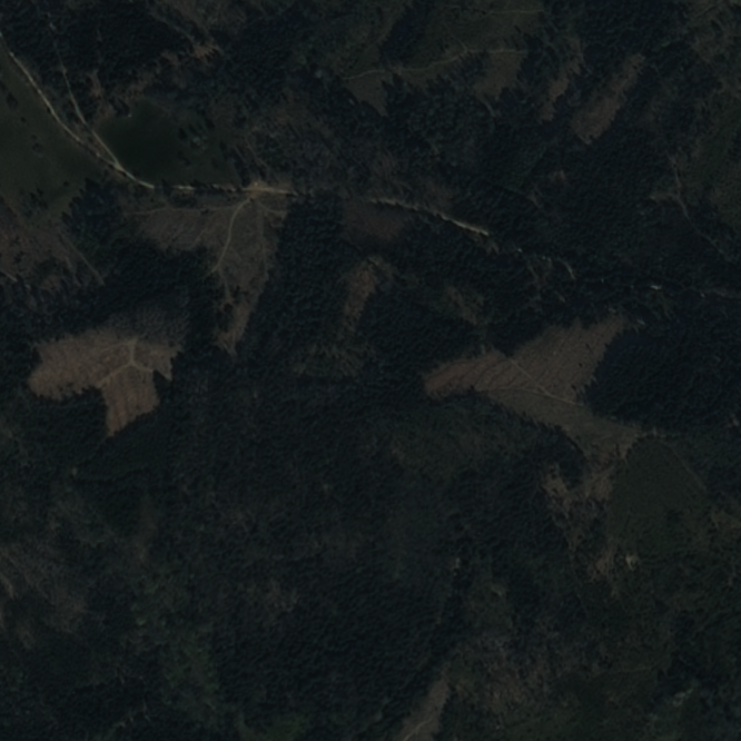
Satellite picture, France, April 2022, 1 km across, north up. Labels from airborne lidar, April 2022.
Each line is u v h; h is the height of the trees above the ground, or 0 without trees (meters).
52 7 28
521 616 22
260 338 14
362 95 0
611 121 0
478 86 28
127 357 0
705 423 21
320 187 17
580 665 8
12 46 22
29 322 22
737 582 9
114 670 18
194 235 0
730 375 23
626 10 26
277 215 0
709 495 9
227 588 26
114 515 28
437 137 21
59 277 0
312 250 25
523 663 29
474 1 21
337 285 25
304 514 23
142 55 13
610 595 6
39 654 22
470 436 21
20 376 14
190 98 33
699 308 28
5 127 0
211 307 14
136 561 28
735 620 6
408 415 22
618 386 25
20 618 18
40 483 17
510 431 22
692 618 8
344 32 26
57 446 25
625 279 28
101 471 26
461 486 26
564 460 28
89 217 35
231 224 0
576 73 0
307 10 26
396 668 30
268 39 29
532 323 16
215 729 19
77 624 20
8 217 30
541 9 0
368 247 11
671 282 9
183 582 21
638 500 11
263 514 25
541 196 11
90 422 21
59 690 26
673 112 23
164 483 24
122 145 0
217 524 23
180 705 27
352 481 26
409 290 13
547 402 0
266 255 0
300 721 16
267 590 16
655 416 23
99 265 7
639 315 30
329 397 25
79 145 7
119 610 27
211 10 14
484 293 17
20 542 22
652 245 17
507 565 24
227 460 24
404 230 18
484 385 0
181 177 0
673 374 16
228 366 29
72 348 0
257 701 31
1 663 23
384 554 23
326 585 25
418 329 28
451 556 25
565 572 25
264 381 27
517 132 23
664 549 6
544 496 9
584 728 6
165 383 19
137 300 22
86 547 21
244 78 28
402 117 21
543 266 12
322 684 28
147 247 6
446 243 26
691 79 17
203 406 30
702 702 7
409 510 26
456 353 30
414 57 18
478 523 24
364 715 28
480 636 16
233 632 24
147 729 23
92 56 16
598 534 13
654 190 22
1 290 13
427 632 25
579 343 0
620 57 30
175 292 28
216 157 0
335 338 9
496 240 14
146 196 19
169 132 0
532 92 31
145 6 17
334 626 26
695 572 10
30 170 0
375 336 17
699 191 11
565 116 25
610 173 22
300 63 20
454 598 8
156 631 30
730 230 9
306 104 21
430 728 0
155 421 24
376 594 26
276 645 29
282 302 19
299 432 25
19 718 28
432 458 18
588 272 21
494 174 23
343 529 25
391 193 14
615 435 0
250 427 22
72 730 28
